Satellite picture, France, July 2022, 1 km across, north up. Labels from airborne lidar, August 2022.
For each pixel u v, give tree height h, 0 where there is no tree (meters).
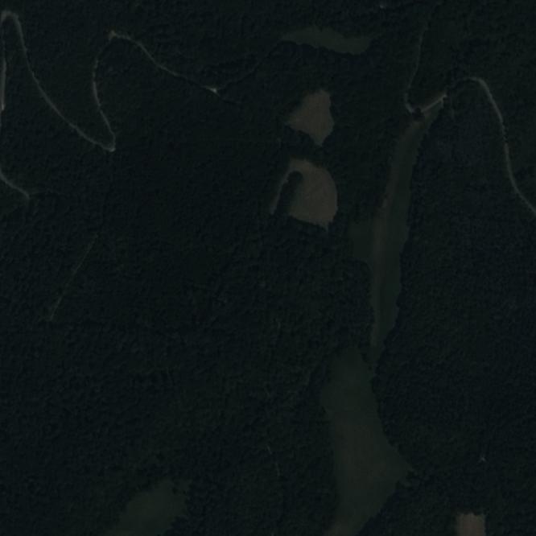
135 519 0
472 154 13
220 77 28
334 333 21
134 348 20
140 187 19
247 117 19
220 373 17
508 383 30
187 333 22
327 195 0
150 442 19
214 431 23
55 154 18
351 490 0
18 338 21
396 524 15
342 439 0
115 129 19
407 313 17
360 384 0
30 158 21
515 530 17
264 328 19
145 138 18
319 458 25
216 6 17
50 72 15
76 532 23
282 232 27
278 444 21
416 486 13
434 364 19
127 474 27
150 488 19
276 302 18
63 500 24
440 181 15
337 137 20
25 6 15
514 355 28
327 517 19
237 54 21
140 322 23
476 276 24
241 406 21
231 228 22
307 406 22
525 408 25
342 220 23
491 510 15
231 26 19
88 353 21
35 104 15
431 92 6
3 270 18
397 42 24
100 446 22
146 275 10
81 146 17
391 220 0
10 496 25
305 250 23
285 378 24
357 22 28
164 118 19
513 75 19
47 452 26
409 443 23
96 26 14
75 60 16
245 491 14
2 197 21
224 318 20
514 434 22
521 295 26
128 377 25
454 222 24
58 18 15
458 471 27
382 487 0
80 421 23
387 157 25
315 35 0
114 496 18
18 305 21
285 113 16
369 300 19
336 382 0
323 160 24
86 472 21
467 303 9
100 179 19
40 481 18
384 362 19
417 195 12
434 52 8
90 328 20
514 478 20
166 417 16
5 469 25
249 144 15
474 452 20
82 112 18
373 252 0
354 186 20
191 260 9
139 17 24
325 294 23
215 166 20
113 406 27
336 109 23
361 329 15
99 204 17
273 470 18
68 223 19
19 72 12
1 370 23
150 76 19
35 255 25
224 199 14
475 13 22
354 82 26
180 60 19
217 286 16
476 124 12
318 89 8
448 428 12
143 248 6
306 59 23
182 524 22
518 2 18
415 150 0
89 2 15
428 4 20
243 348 24
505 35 19
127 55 23
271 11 18
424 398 18
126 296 6
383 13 22
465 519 0
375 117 23
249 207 16
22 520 27
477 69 15
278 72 20
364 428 0
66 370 26
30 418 23
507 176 16
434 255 12
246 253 21
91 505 20
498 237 27
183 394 17
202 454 18
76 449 22
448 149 13
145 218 14
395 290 0
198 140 16
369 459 0
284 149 18
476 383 16
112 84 15
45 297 23
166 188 15
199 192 13
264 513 14
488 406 22
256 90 21
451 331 17
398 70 23
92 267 10
